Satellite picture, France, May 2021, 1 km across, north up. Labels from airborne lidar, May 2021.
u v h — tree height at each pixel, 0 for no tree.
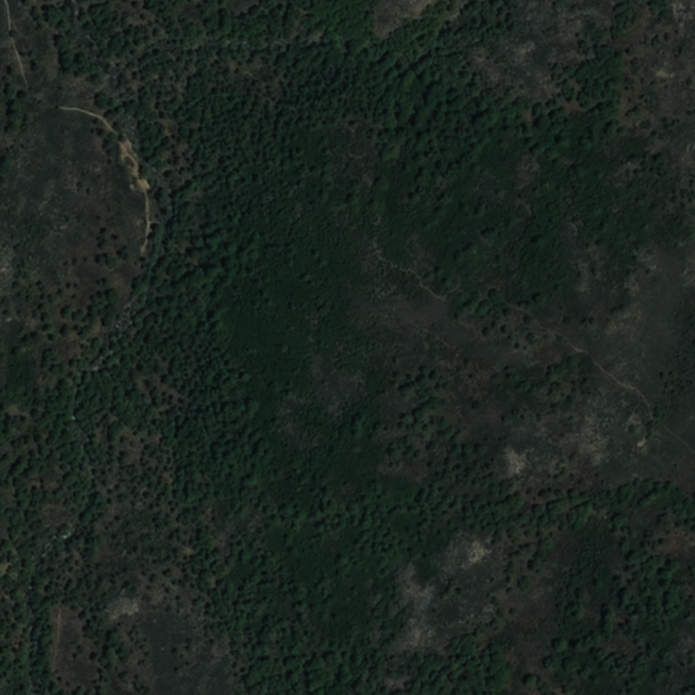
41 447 18
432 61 17
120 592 0
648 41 7
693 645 0
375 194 8
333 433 7
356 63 9
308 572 6
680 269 0
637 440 0
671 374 7
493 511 10
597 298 0
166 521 12
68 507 14
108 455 11
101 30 20
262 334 6
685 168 0
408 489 6
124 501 10
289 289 6
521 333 0
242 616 13
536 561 11
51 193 0
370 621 7
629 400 0
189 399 16
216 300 12
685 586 10
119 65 12
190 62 16
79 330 20
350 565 13
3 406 20
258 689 19
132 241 0
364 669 6
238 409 20
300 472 12
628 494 10
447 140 16
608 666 20
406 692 15
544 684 18
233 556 11
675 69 0
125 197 0
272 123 14
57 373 19
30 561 13
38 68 29
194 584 15
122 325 9
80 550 13
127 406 9
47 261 0
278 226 6
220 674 0
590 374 0
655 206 10
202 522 9
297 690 15
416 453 12
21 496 16
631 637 11
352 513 19
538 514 14
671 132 8
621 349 0
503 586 0
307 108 15
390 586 6
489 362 0
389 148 19
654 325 0
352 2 20
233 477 17
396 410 0
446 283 14
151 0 20
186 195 15
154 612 0
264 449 13
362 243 0
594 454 0
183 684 0
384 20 0
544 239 12
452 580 8
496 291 16
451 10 17
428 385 13
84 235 0
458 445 11
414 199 14
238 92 12
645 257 0
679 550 0
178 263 17
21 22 0
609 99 16
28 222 8
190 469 16
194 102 13
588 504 11
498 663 22
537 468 0
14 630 15
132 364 14
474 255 15
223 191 7
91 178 0
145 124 12
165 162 8
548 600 0
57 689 18
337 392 0
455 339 0
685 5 0
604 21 0
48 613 11
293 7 16
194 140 18
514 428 0
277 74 13
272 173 13
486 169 9
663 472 0
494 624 14
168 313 16
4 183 21
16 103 26
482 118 18
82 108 0
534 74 0
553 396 9
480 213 16
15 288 11
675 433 0
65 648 0
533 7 0
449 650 11
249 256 25
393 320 0
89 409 14
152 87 14
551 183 11
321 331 6
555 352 0
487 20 14
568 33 0
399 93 23
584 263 0
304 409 6
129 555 9
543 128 21
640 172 12
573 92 15
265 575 15
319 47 19
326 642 19
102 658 21
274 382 11
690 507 17
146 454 10
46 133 0
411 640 0
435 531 10
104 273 0
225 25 22
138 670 0
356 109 7
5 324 0
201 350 14
